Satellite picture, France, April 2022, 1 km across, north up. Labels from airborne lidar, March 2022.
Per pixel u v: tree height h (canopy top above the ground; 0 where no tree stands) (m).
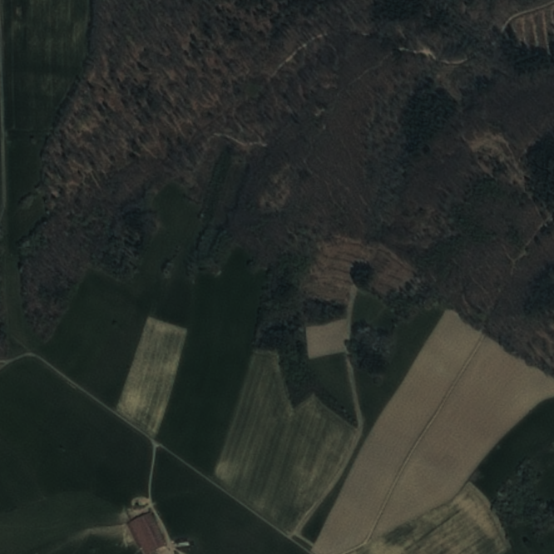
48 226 21
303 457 0
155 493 0
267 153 11
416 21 12
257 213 17
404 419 0
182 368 0
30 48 0
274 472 0
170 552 0
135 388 0
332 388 0
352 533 0
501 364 0
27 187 0
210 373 0
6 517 0
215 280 0
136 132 32
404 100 34
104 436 0
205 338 0
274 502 0
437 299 24
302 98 14
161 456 0
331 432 0
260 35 10
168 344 0
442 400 0
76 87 0
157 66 29
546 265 15
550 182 17
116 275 21
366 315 0
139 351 0
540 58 27
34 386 0
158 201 0
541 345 22
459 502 0
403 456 0
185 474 0
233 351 0
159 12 32
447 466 0
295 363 8
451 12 16
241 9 19
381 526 0
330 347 0
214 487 0
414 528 0
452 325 0
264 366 0
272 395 0
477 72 0
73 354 0
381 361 24
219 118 33
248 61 31
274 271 17
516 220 13
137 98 33
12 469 0
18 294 0
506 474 0
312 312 20
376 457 0
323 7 16
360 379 0
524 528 0
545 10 0
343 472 0
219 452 0
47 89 0
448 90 0
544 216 14
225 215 0
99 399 0
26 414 0
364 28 31
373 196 21
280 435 0
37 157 0
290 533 0
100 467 0
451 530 0
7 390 0
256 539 0
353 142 17
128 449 0
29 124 0
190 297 0
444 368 0
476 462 0
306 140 16
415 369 0
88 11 0
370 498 0
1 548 0
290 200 0
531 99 17
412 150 17
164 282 0
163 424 0
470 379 0
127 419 0
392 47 13
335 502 0
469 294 17
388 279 0
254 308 0
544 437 0
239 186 0
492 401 0
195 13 30
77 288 11
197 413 0
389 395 0
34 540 0
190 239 0
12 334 0
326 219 20
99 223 12
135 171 19
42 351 0
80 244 20
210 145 31
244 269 0
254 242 17
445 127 19
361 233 15
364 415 0
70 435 0
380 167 21
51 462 0
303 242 29
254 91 0
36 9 0
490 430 0
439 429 0
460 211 16
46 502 0
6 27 0
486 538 0
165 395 0
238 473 0
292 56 34
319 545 0
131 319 0
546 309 32
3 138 0
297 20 13
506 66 26
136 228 30
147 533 0
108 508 0
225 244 20
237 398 0
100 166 32
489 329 16
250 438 0
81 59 0
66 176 31
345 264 0
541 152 19
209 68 27
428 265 16
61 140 29
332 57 8
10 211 0
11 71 0
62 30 0
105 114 34
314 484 0
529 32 0
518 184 10
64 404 0
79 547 0
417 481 0
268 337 23
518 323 25
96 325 0
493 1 16
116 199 15
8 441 0
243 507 0
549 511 8
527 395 0
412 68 33
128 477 0
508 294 14
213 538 0
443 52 20
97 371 0
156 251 0
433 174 12
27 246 20
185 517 0
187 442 0
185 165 37
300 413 0
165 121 27
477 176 13
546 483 0
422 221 0
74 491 0
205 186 0
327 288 0
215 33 34
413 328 0
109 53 30
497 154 0
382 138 32
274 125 30
